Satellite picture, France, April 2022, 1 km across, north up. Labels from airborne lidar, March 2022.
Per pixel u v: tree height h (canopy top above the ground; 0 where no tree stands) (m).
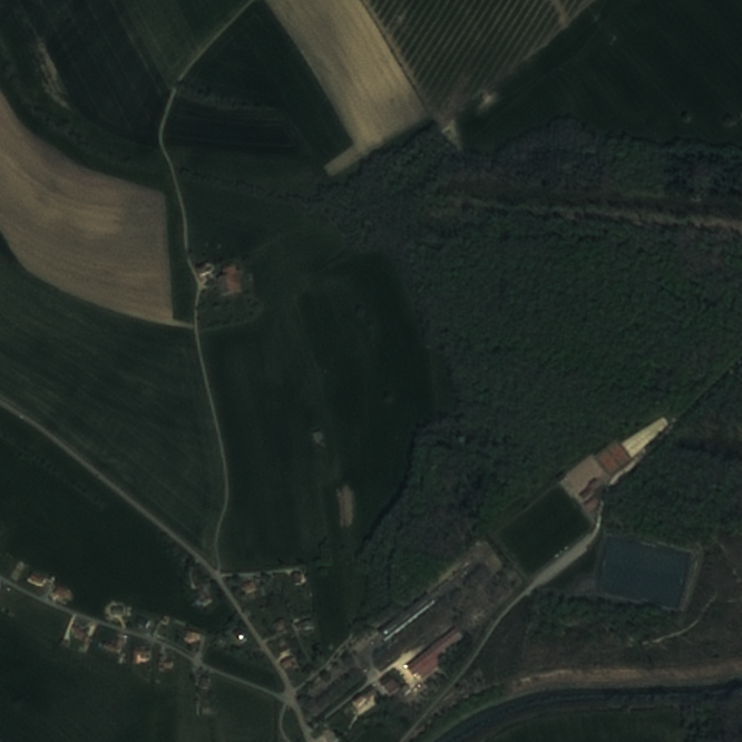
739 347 19
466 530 31
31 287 0
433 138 23
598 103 0
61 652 0
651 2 0
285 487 0
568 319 26
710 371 21
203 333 0
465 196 0
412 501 23
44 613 0
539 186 16
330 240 0
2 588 0
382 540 22
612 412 24
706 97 0
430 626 15
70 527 0
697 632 0
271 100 0
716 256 24
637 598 0
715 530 14
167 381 0
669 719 0
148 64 0
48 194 0
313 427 0
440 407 0
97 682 0
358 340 0
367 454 0
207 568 0
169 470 0
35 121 0
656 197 25
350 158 0
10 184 0
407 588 23
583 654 0
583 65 0
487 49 0
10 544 0
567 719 0
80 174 0
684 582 0
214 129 0
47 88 0
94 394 0
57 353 0
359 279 0
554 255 25
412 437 0
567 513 0
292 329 0
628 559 0
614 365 21
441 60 0
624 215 23
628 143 17
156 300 0
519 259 27
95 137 0
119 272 0
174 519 0
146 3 0
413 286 16
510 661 0
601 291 24
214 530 0
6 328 0
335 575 0
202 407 0
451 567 17
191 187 0
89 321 0
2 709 0
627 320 26
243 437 0
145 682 0
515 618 0
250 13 0
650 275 24
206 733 0
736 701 20
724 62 0
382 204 18
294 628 0
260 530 0
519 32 0
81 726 0
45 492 0
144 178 0
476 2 0
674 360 22
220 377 0
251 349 0
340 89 0
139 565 0
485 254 27
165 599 0
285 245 0
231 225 0
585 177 21
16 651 0
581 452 13
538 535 0
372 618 7
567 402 23
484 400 23
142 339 0
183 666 0
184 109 0
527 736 0
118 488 0
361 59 0
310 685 5
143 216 0
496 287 24
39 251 0
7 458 0
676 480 23
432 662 0
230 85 0
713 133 0
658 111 0
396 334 0
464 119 0
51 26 0
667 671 0
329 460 0
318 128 0
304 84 0
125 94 0
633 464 0
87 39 0
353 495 0
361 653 0
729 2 0
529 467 19
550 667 0
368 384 0
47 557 0
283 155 0
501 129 0
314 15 0
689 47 0
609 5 0
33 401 0
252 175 0
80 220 0
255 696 0
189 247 0
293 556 0
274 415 0
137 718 0
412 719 16
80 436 0
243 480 0
